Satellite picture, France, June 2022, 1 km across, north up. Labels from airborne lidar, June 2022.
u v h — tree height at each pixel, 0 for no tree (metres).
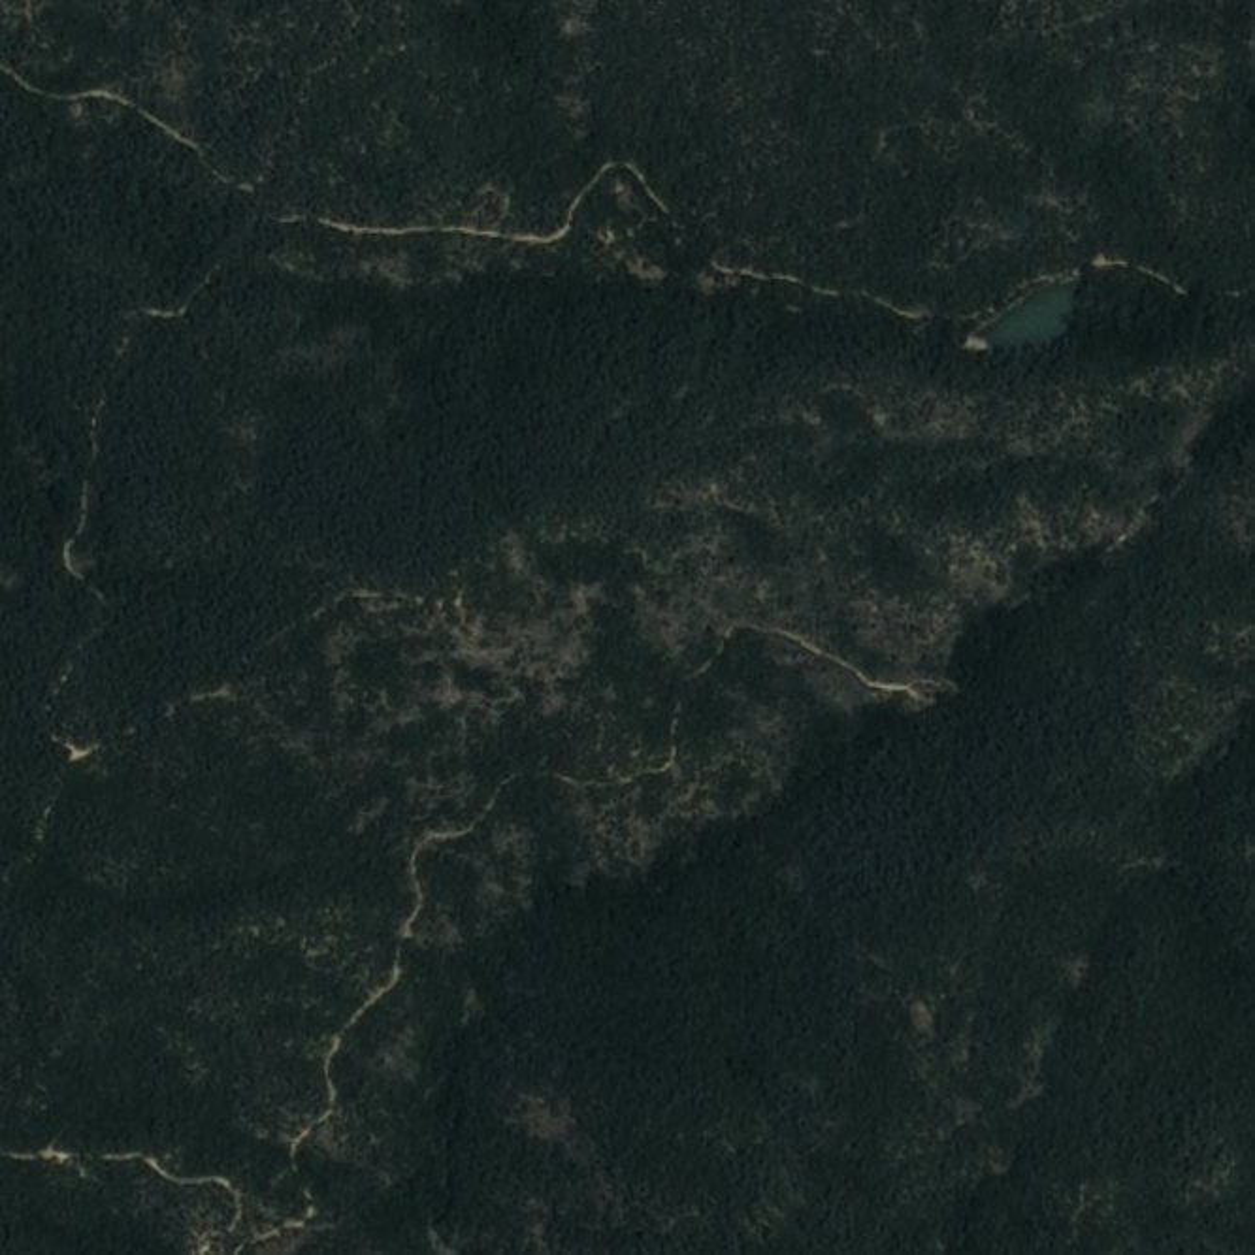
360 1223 7
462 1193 12
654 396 6
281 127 13
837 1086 7
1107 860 7
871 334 19
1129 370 8
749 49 9
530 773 11
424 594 11
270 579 11
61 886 6
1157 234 7
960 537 10
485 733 7
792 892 10
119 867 7
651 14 6
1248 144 10
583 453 14
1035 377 17
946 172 7
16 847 9
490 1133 8
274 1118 12
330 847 9
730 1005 13
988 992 7
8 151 16
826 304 9
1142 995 12
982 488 14
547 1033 8
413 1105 11
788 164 7
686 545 13
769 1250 9
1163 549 6
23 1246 6
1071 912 7
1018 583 7
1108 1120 15
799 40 8
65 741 6
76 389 10
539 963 8
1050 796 8
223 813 8
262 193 13
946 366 17
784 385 12
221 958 9
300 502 15
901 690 6
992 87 7
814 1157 8
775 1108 8
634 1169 10
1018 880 7
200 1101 6
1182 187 8
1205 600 12
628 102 9
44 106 10
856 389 7
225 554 10
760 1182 13
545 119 9
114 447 6
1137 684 10
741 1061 12
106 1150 7
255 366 11
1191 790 15
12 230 12
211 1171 9
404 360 7
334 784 7
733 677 6
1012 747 9
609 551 9
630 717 7
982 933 7
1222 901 9
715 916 8
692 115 9
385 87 7
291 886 11
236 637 12
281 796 6
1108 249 8
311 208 13
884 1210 11
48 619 16
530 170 8
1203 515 5
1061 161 6
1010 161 6
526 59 11
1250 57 7
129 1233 6
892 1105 8
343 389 11
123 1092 5
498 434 18
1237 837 6
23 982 7
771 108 7
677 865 15
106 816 9
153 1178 11
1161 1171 14
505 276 6
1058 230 7
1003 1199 10
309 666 6
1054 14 7
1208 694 7
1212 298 13
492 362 13
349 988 9
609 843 7
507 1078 7
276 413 8
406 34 9
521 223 6
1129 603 8
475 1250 5
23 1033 6
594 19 7
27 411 8
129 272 7
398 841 6
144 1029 7
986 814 16
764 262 7
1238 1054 10
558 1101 7
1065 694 6
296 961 7
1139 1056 11
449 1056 15
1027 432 12
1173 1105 14
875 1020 5
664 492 6
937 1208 7
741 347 8
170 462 6
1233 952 11
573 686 6
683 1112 8
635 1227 7
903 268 8
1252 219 11
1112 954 8
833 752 14
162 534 10
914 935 7
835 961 8
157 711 12
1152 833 8
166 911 7
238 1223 6
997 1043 6
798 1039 7
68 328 7
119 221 9
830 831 21
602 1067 9
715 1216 6
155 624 13
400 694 8
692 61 7
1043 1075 8
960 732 9
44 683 11
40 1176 6
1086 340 16
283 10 9
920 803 16
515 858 6
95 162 6
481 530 6
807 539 8
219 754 7
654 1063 8
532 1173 7
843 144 9
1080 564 7
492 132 8
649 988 14
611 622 7
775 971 9
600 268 7
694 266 9
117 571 8
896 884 15
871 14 7
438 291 6
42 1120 8
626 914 17
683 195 9
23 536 11
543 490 15
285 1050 11
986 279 8
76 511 9
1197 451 11
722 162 13
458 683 8
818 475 6
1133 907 8
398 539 15
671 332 7
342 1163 6
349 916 7
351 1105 8
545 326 16
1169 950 11
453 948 6
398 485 17
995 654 12
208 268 16
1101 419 10
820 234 7
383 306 13
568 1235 7
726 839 11
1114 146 8
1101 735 14
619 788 7
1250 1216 5
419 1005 7
